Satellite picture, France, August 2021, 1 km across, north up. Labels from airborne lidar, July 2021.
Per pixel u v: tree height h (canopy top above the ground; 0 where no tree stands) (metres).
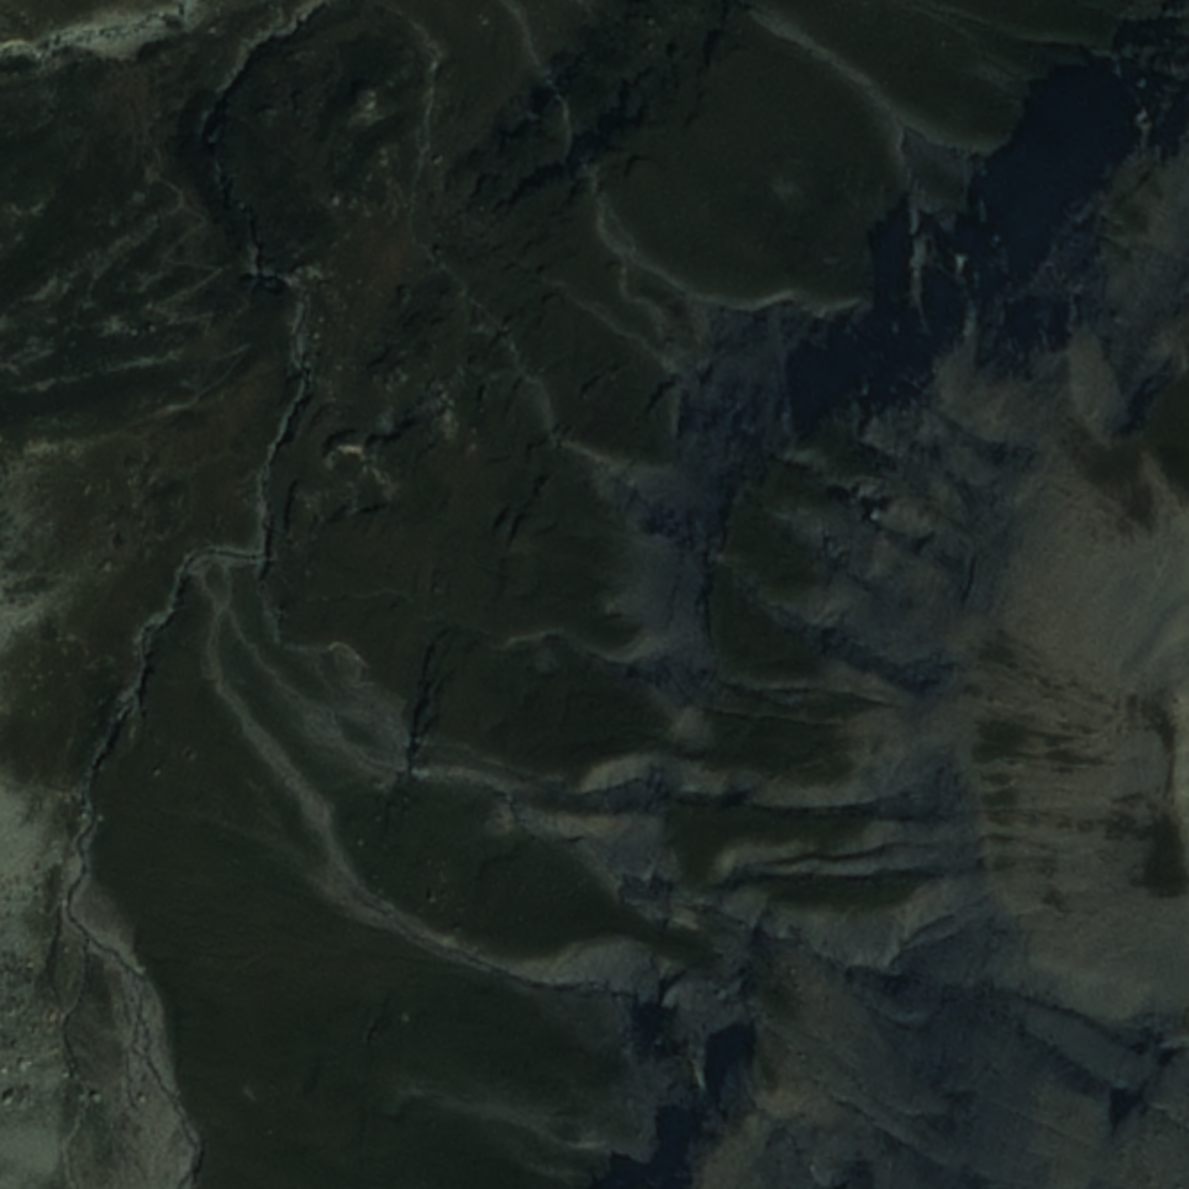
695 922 0
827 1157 0
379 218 0
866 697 0
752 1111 0
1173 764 0
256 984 0
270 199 0
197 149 9
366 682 0
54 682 0
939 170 0
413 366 0
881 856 0
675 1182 0
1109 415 0
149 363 0
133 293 0
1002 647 0
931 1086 0
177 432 0
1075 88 0
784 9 0
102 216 0
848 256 0
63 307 0
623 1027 0
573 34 0
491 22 0
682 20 0
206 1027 0
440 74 0
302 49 0
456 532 0
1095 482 0
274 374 0
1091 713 0
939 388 0
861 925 0
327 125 0
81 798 0
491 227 0
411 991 0
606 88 0
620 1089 0
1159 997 0
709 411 0
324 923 0
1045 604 0
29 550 0
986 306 0
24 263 0
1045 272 0
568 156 0
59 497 0
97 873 0
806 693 0
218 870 0
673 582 0
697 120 0
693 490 0
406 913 0
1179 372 0
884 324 0
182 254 0
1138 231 0
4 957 0
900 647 0
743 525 0
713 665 0
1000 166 0
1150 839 0
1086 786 0
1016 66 0
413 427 0
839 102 0
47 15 0
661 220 0
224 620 0
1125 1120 0
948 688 0
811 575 0
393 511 0
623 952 0
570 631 0
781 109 0
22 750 0
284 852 0
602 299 0
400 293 0
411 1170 0
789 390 0
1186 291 0
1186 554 0
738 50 0
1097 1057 0
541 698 0
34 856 0
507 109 0
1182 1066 0
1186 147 0
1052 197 0
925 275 0
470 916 0
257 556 0
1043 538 0
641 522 0
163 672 0
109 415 0
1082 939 0
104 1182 0
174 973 0
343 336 0
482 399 0
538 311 0
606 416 0
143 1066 0
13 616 0
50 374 0
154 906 0
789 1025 0
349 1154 0
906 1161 0
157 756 0
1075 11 0
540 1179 0
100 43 0
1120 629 0
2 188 0
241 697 0
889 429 0
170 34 0
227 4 0
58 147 0
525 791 0
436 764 0
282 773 0
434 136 0
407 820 0
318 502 0
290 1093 0
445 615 0
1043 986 0
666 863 0
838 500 0
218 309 0
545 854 0
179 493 0
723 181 0
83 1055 0
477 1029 0
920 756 0
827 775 0
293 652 0
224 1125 0
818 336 0
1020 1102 0
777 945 0
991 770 0
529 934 0
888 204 0
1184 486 0
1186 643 0
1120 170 0
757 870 0
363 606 0
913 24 0
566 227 0
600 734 0
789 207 0
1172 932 0
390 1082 0
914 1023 0
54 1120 0
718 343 0
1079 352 0
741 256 0
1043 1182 0
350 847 0
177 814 0
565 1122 0
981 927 0
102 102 0
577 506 0
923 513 0
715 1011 0
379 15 0
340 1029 0
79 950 0
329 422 0
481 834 0
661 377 0
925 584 0
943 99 0
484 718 0
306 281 0
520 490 0
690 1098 0
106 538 0
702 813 0
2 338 0
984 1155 0
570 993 0
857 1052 0
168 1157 0
